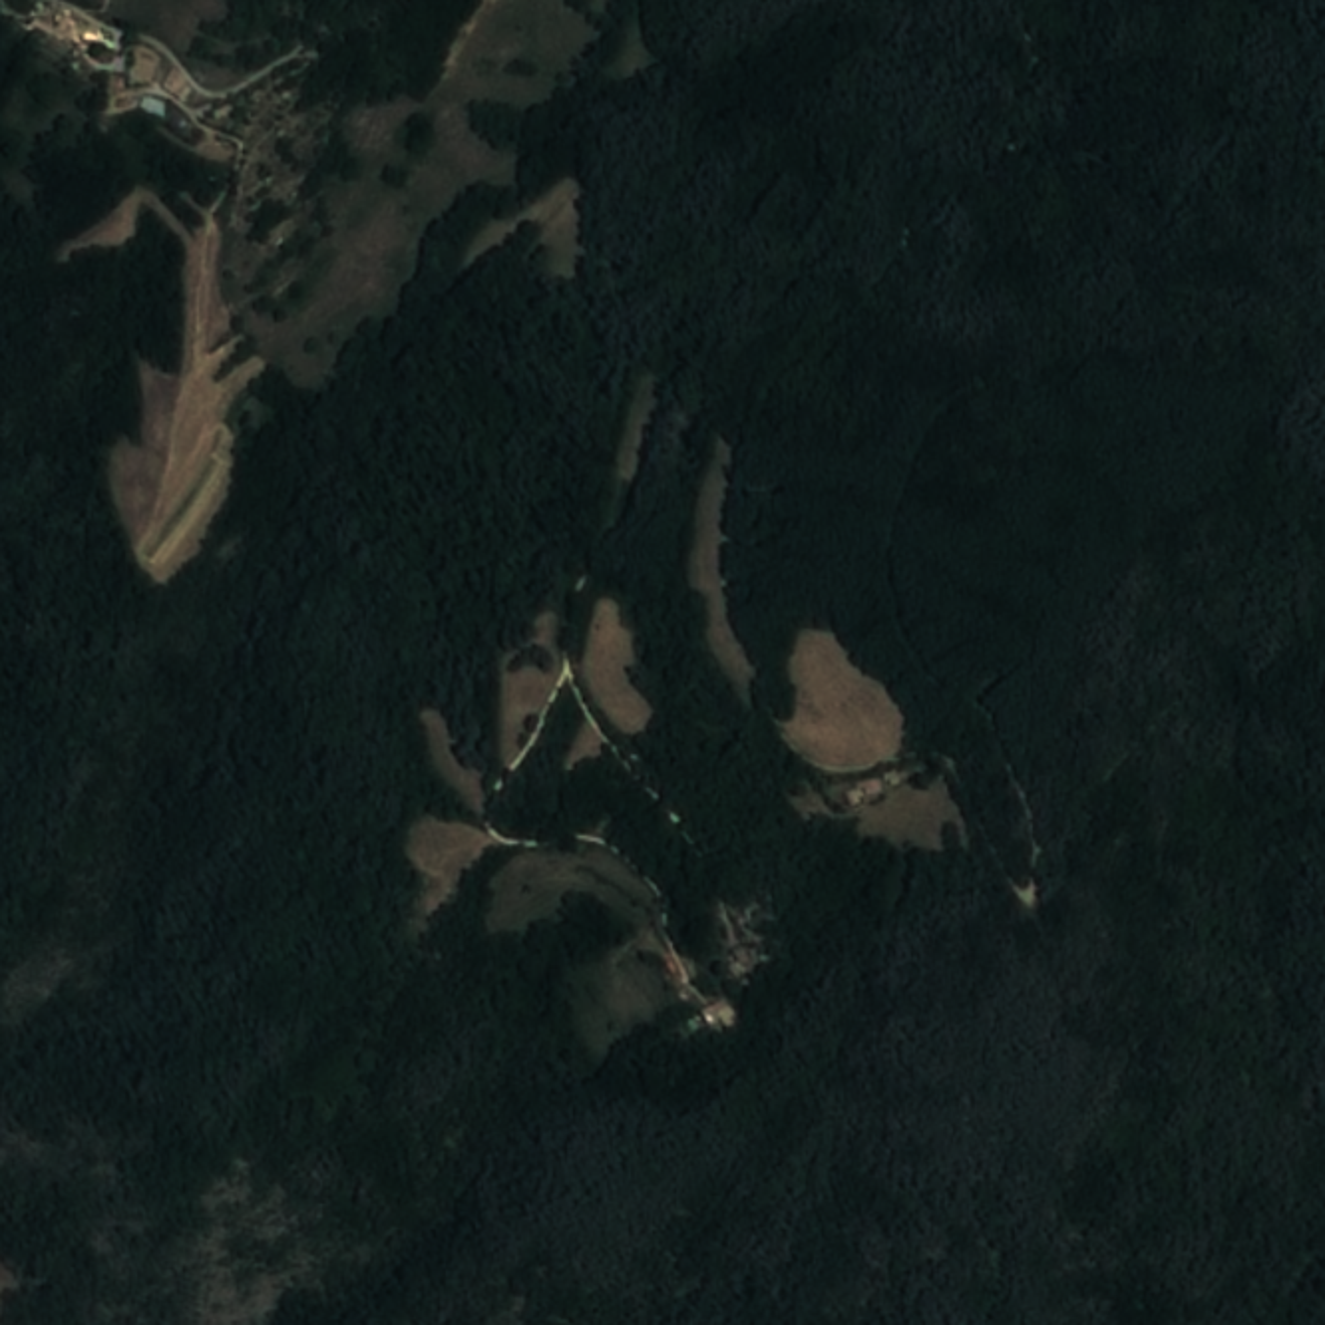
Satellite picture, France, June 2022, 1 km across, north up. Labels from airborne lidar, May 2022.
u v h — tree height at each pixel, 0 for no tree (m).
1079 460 16
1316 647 12
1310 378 23
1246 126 16
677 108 17
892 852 10
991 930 15
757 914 7
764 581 21
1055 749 12
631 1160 17
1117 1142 6
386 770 21
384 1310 14
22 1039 19
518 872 0
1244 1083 24
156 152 11
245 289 8
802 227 12
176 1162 15
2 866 14
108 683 10
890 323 16
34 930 11
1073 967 16
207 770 9
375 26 18
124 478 0
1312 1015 18
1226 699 11
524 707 0
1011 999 18
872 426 15
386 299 0
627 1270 15
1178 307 19
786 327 15
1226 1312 18
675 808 14
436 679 11
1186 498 16
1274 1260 24
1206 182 15
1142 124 20
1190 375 15
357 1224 11
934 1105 16
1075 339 16
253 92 7
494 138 15
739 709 10
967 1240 15
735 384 14
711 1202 14
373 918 10
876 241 21
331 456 18
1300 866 14
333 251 0
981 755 6
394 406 7
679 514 18
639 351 28
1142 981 18
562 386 17
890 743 0
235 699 26
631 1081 20
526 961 14
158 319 9
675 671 9
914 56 13
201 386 0
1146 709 9
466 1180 18
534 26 0
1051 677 17
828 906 15
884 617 14
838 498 15
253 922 15
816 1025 19
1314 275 22
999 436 19
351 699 24
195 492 0
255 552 13
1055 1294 13
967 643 14
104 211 9
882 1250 10
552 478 10
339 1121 12
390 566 22
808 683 0
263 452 15
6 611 31
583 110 20
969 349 14
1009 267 19
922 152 13
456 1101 15
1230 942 11
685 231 17
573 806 18
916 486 13
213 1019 14
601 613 0
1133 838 15
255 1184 10
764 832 9
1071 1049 18
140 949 12
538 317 19
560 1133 16
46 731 20
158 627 11
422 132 17
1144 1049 14
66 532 14
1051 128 20
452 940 8
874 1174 15
